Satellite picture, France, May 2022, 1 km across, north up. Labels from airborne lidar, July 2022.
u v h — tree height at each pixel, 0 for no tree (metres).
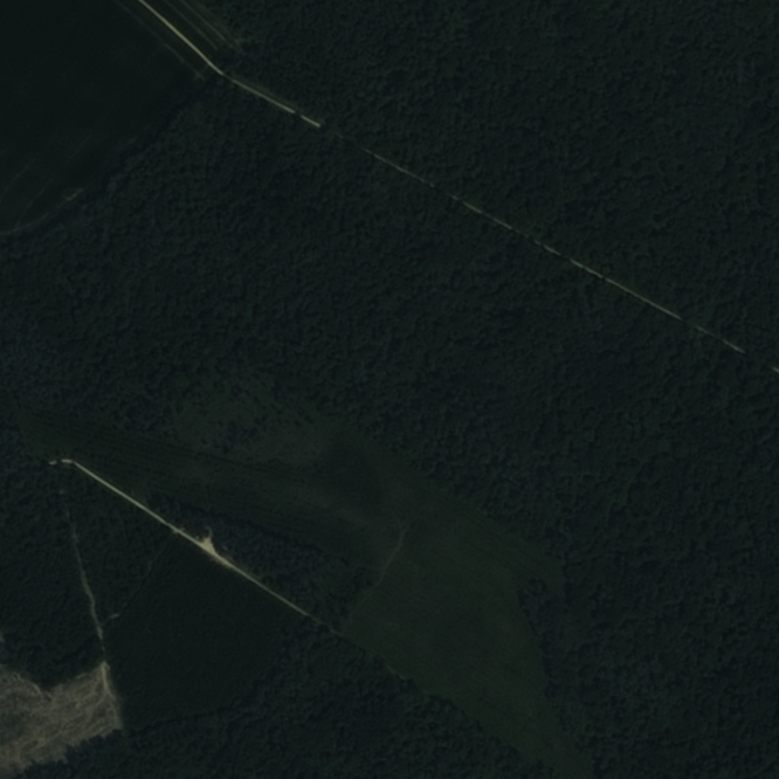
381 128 14
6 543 15
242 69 21
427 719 25
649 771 23
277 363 10
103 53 0
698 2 24
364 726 30
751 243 16
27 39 0
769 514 14
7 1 0
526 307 26
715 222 24
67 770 24
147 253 26
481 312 25
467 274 21
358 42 15
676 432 16
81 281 25
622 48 18
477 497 23
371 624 0
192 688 7
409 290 21
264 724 27
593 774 0
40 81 0
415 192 17
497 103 21
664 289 21
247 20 24
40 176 0
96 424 8
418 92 15
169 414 28
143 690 7
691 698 19
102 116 0
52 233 23
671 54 23
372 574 6
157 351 28
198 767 20
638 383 28
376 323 24
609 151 25
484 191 23
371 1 20
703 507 22
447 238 21
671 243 22
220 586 7
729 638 18
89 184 0
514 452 29
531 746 0
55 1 0
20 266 28
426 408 26
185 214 18
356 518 0
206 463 6
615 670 7
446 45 25
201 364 24
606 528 20
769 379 20
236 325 19
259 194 26
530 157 31
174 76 0
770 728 18
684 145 24
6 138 0
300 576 22
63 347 26
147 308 23
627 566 22
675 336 11
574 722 26
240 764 23
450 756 28
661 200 22
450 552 0
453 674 0
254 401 29
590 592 23
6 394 15
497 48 22
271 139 26
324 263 23
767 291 24
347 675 24
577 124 25
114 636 8
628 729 22
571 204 10
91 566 17
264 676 9
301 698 26
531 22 23
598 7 22
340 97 20
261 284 23
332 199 22
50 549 19
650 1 23
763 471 13
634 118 25
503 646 0
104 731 0
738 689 25
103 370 20
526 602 23
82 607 16
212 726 17
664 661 25
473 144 18
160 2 0
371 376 16
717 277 18
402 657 0
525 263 26
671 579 28
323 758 25
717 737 21
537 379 20
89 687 0
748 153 25
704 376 29
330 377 11
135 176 23
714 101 21
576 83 23
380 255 26
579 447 23
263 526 6
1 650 24
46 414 8
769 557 22
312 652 26
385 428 24
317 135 17
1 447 32
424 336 25
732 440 14
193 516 30
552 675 25
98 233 28
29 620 19
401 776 24
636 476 11
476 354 24
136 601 6
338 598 6
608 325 23
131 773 28
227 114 17
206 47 0
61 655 17
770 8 22
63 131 0
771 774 27
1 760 0
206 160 18
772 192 22
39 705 0
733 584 29
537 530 27
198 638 7
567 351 25
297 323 27
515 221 21
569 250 23
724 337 17
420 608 0
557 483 30
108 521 7
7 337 23
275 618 6
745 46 23
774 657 18
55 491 25
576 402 21
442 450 28
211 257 20
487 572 0
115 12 0
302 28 16
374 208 24
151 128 0
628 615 21
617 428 25
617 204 23
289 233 23
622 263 18
